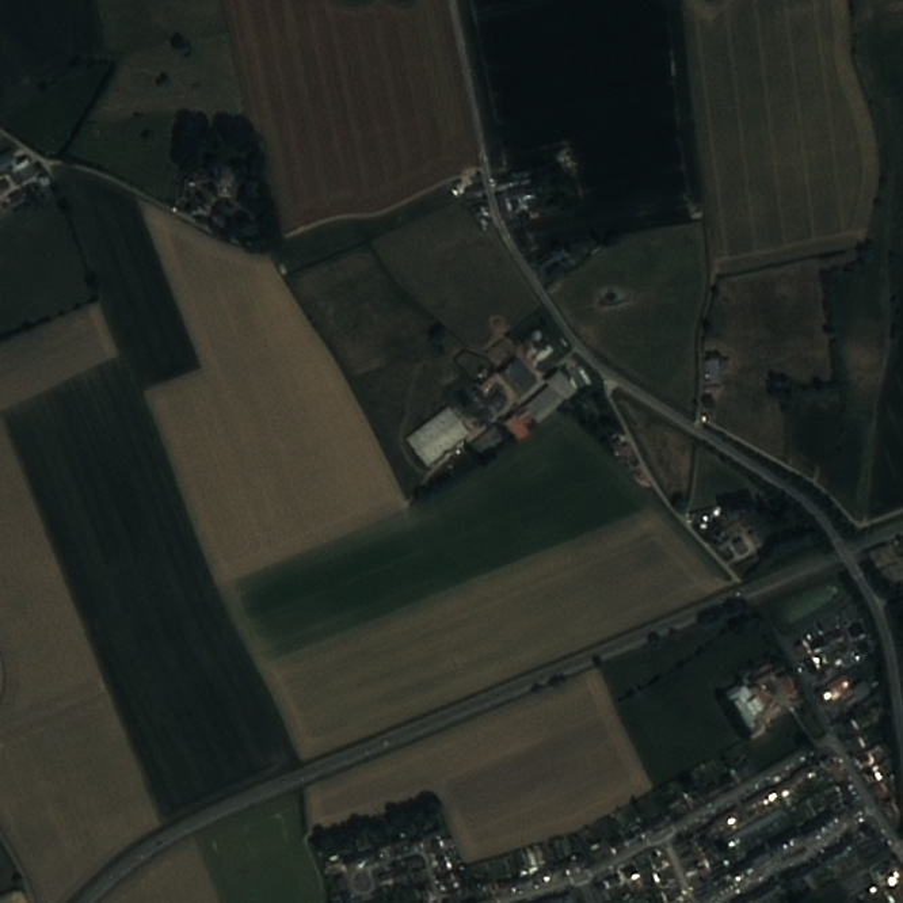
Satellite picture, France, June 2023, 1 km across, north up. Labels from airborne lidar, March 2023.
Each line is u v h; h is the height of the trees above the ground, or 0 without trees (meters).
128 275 0
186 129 26
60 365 0
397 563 0
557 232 0
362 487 0
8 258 0
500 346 0
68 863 0
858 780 0
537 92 0
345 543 0
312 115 0
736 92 0
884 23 0
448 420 0
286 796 0
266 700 0
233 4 0
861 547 0
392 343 0
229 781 0
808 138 0
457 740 0
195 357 0
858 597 6
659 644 11
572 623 0
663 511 0
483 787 0
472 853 0
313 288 0
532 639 0
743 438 0
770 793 0
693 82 0
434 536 0
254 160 26
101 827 0
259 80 0
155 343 0
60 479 0
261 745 0
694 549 0
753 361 0
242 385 0
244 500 0
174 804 0
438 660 0
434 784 0
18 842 0
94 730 0
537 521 0
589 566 0
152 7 0
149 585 0
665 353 0
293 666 0
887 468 0
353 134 0
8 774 0
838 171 0
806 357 0
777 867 0
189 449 0
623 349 0
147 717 0
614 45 0
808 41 0
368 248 0
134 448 0
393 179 0
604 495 0
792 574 0
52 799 0
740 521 0
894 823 0
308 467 0
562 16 0
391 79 0
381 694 0
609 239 10
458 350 0
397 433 0
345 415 0
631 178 0
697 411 0
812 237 0
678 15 0
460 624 0
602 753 0
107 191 0
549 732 0
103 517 0
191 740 0
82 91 0
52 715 0
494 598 0
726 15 0
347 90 0
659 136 0
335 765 0
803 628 0
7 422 0
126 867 0
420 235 0
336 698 0
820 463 0
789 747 0
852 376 0
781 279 0
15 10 0
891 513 0
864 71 0
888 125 0
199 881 0
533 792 0
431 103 0
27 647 0
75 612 0
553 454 0
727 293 0
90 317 0
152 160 0
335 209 0
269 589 0
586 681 0
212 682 0
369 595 0
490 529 0
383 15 0
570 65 0
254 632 0
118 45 0
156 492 0
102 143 0
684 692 0
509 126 0
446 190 0
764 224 0
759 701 0
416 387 0
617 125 0
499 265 0
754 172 0
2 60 0
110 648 0
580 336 0
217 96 0
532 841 0
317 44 0
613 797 0
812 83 0
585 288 0
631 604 0
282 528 0
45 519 0
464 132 0
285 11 0
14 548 0
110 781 0
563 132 0
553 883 0
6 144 0
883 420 0
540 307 0
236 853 0
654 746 0
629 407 0
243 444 0
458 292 0
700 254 0
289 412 0
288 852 0
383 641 0
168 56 0
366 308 0
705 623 14
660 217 0
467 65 0
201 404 0
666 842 0
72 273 0
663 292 0
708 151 0
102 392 0
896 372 0
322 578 0
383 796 0
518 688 0
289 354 0
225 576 0
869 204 0
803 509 9
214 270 0
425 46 0
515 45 0
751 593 0
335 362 0
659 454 0
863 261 9
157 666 0
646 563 0
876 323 0
